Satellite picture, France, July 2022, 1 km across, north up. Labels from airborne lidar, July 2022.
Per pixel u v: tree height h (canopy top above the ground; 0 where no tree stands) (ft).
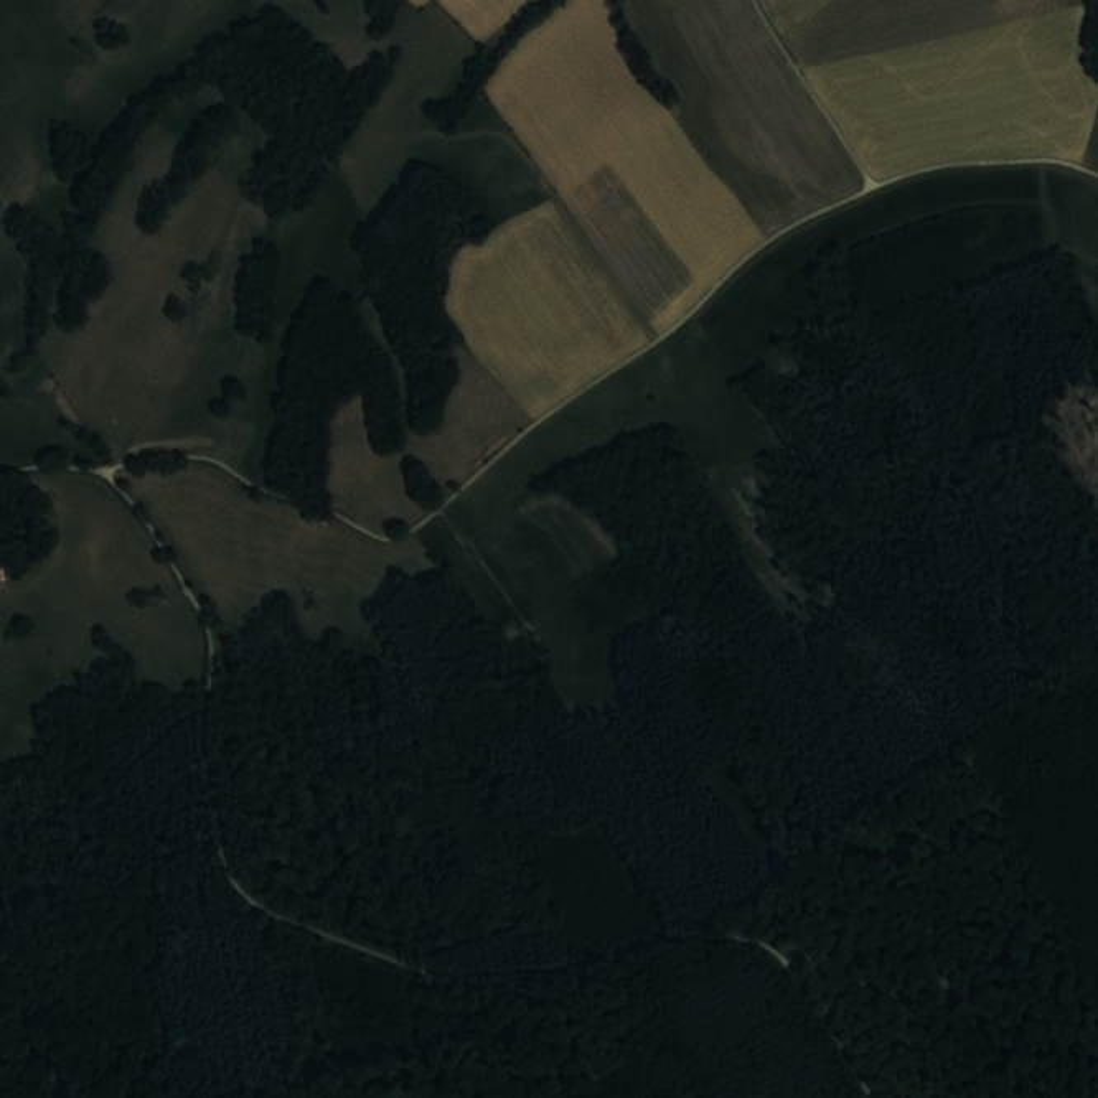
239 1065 97
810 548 75
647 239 0
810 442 69
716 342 0
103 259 64
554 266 0
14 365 39
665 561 90
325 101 34
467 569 0
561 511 0
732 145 0
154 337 0
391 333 62
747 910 94
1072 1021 104
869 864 115
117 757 63
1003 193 0
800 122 0
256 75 77
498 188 0
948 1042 110
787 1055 62
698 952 54
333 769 90
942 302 55
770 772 78
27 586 0
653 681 82
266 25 26
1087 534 78
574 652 0
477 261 0
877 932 104
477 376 0
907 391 78
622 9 43
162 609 0
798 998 32
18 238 73
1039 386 89
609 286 0
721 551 73
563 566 0
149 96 49
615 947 20
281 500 41
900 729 92
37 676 0
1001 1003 90
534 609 0
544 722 97
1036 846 55
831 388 52
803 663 69
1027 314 67
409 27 0
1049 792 47
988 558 61
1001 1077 117
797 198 0
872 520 52
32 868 91
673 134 0
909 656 66
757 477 0
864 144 0
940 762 115
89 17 0
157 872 60
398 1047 25
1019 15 0
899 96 0
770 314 0
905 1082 107
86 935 94
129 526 0
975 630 70
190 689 49
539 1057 95
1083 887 56
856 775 97
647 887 61
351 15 0
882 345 45
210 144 80
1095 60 65
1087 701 44
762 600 72
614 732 54
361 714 57
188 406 0
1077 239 0
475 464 0
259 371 0
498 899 83
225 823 72
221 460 0
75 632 0
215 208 0
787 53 0
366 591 0
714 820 74
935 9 0
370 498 0
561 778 110
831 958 103
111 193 47
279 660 84
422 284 43
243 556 0
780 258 0
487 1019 98
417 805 99
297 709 85
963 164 0
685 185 0
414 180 72
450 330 55
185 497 0
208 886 64
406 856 80
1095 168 0
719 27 0
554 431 0
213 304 0
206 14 0
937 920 115
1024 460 75
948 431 66
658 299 0
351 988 31
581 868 26
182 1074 87
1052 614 104
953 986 106
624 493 72
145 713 69
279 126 62
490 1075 95
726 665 87
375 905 104
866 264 20
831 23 0
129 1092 47
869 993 99
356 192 0
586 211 0
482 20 0
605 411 0
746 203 0
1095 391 87
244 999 92
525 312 0
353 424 0
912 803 123
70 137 65
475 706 90
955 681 84
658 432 57
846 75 0
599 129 0
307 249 0
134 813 73
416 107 0
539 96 0
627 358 0
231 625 0
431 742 86
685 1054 54
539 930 84
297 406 73
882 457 58
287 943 51
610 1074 30
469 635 67
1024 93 0
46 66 0
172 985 95
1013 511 66
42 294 91
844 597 94
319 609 55
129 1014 105
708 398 0
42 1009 94
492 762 85
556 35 0
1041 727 44
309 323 79
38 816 29
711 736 63
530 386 0
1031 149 0
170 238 0
